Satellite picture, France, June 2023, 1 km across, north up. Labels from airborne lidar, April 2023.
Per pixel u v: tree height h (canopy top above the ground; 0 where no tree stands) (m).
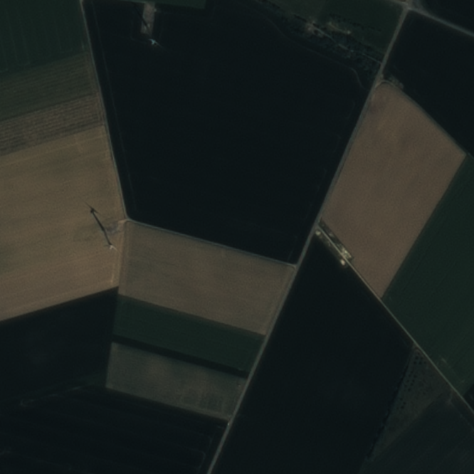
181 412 0
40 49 0
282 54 0
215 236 0
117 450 0
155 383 0
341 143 0
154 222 0
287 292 0
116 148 0
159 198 0
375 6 0
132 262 0
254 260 0
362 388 0
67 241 0
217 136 0
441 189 0
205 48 0
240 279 0
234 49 0
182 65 0
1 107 0
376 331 0
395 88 0
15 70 0
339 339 0
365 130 0
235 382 0
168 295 0
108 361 0
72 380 0
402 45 0
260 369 0
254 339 0
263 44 0
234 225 0
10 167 0
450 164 0
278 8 10
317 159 0
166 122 0
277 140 0
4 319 0
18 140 0
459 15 0
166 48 0
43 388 0
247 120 0
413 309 0
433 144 0
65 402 0
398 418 0
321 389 0
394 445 0
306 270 0
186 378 0
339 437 0
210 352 0
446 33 0
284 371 0
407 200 0
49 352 0
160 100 0
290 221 0
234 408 0
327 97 0
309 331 0
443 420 0
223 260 0
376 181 0
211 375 0
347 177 0
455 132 0
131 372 0
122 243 0
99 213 0
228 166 0
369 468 0
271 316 0
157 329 0
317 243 0
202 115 0
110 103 0
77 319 0
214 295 0
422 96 0
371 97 0
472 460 0
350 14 0
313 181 0
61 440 0
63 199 0
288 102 0
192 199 0
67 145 0
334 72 0
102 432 0
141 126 0
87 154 0
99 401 0
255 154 0
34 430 0
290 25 10
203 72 0
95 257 0
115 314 0
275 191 0
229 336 0
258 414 0
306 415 0
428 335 0
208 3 0
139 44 0
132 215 0
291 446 0
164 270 0
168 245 0
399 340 0
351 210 0
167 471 0
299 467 0
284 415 0
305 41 0
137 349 0
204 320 0
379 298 0
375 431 0
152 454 0
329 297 0
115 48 0
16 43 0
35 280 0
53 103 0
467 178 0
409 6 0
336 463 0
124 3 0
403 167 0
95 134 0
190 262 0
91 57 0
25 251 0
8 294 0
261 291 0
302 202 0
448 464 0
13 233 0
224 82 0
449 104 0
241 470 0
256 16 0
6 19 0
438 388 0
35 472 0
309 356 0
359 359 0
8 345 0
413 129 0
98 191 0
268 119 0
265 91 0
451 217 0
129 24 0
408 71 0
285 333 0
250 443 0
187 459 0
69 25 0
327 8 0
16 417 0
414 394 0
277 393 0
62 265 0
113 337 0
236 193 0
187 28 0
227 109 0
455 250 0
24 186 0
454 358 0
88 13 0
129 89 0
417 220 0
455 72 0
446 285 0
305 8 0
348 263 0
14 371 0
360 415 0
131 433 0
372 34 0
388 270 0
